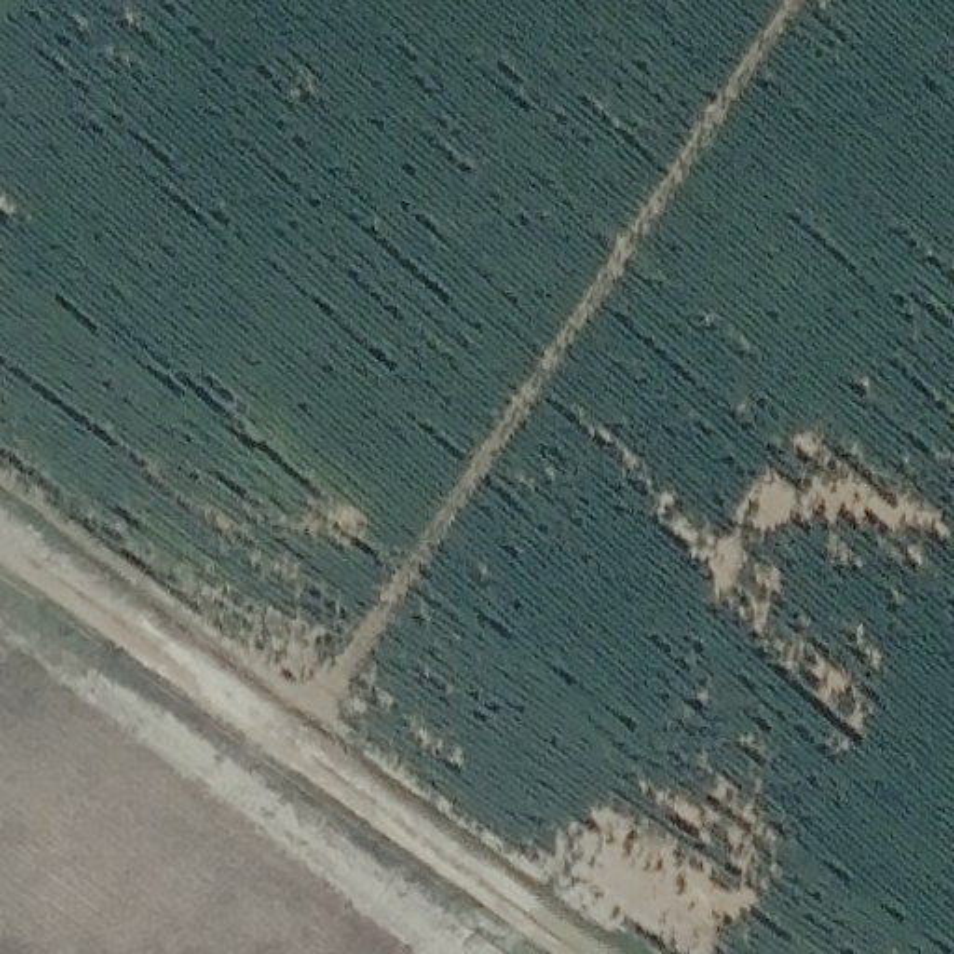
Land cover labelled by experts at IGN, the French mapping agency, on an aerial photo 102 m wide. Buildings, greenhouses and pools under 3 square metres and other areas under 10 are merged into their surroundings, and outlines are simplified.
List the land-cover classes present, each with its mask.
<instances>
[{"label":"agricultural land","instance_id":"1","mask_svg":"<svg viewBox=\"0 0 954 954\"><path fill-rule=\"evenodd\" d=\"M0 511L37 529L52 552H63L78 570L101 578V585H108L116 596L153 615V622L168 630L175 641L201 652L220 671L239 678L250 693L268 701L279 716L306 727L324 749H339L343 756H350V764L376 786H384L395 801L421 812L473 857L496 865L503 876H511L518 887L540 898L559 920H566L570 928L604 943L615 954H954V0H0ZM0 954H414L410 943H399L376 920L361 917L354 902L343 898L328 879L309 872L287 850H279L268 835H261L235 805L212 797L201 779H186L171 760L138 742L134 730L108 719L101 708L86 704L71 686L48 678L34 656H26L22 648L0 652Z\"/></svg>","mask_w":954,"mask_h":954},{"label":"pervious surface","instance_id":"2","mask_svg":"<svg viewBox=\"0 0 954 954\"><path fill-rule=\"evenodd\" d=\"M0 566H7L11 574L41 589L48 600L67 607L75 619L116 641L142 667L157 671L175 689L235 723L268 756L306 775L324 794L339 797L391 842L421 857L455 887L470 891L477 902L492 906L525 939L552 954H615L604 943L570 928L566 920H559L540 898L518 887L511 876H503L496 865L473 857L421 812L395 801L384 786H376L350 764V756H343L339 749H324L306 727L279 716L268 701L250 693L239 678L220 671L201 652L175 641L168 630L153 622V615L116 596L108 585H101V578L78 570L63 552H52L37 529L0 511ZM22 648L26 656H34L48 678L71 686L86 704L101 708L108 719L134 730L138 742L171 760L186 779H201L212 797L235 805L261 835H268L279 850H287L309 872L328 879L343 898L354 902L361 917L376 920L399 943H410L414 954H499L488 943H473L470 928H436L429 913L436 909V902L425 898L417 883H406L391 868H380L347 835L313 824L309 809L287 805L257 775L242 771L235 760L216 756V749L205 738H198L171 712L142 701L134 689L112 682L101 671H89L75 652L63 648V641L22 634L0 619V652Z\"/></svg>","mask_w":954,"mask_h":954},{"label":"herbaceous vegetation","instance_id":"3","mask_svg":"<svg viewBox=\"0 0 954 954\"><path fill-rule=\"evenodd\" d=\"M0 619L22 634L63 641V648L75 652L89 671H101L112 682L134 689L142 701L171 712L198 738H205L216 749V756L235 760L242 771L257 775L287 805L309 809L313 824L347 835L380 868H391L406 883H417L425 898L436 902V909L429 913L436 928H470L473 943H488L499 954H552L525 939L492 906L477 902L470 891L455 887L421 857L391 842L339 797L324 794L306 775L268 756L235 723L175 689L157 671L142 667L116 641L75 619L67 607L48 600L41 589L11 574L7 566H0Z\"/></svg>","mask_w":954,"mask_h":954}]
</instances>
